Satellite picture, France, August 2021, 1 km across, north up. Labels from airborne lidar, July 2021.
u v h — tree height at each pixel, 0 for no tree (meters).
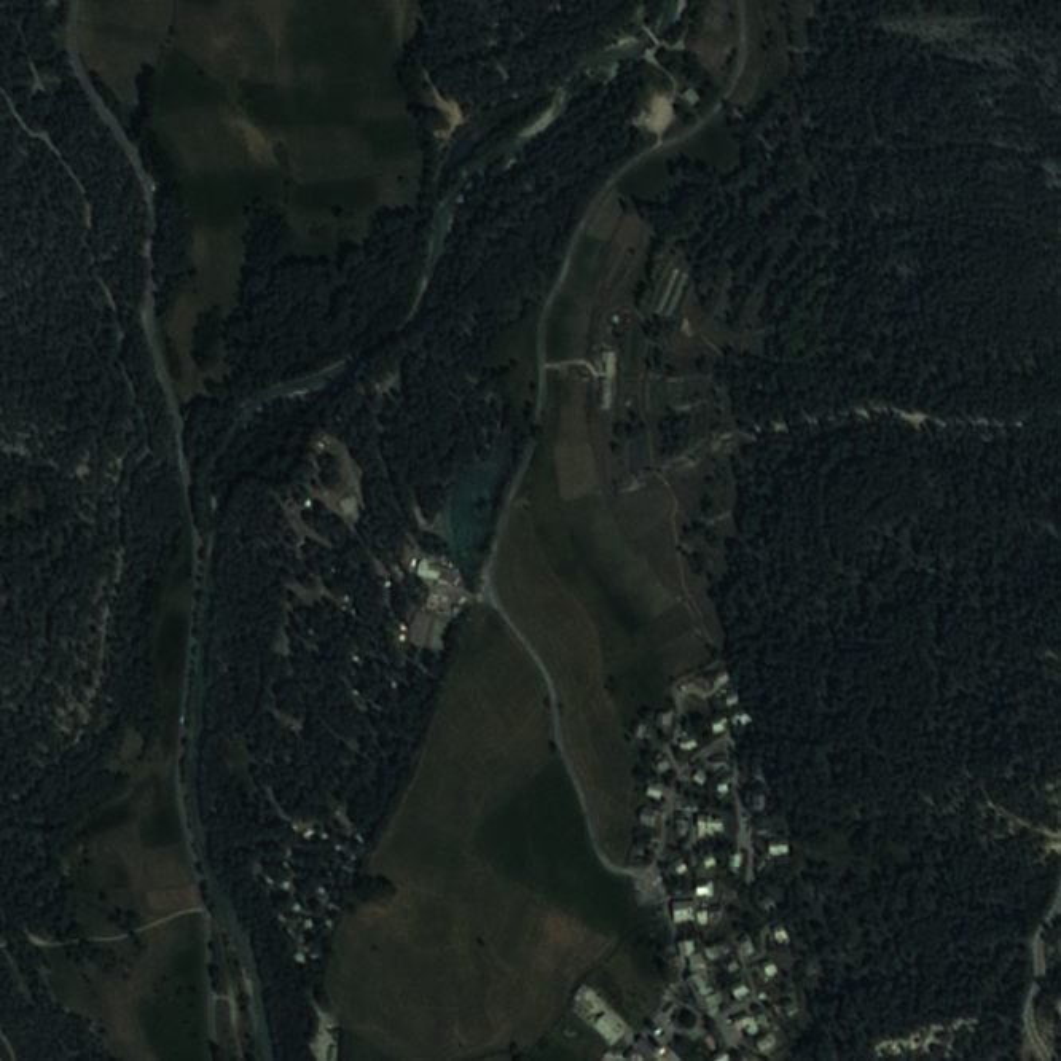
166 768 0
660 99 0
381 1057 0
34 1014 10
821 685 22
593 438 0
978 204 11
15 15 11
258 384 11
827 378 13
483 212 12
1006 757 16
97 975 0
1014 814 15
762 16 0
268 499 15
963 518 12
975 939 14
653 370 9
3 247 11
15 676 11
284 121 0
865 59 13
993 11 9
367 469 25
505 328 12
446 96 20
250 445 12
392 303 8
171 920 0
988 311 17
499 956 0
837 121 15
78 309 16
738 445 0
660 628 0
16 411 12
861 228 16
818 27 13
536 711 0
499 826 0
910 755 16
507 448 0
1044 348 15
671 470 0
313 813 22
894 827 20
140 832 0
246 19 0
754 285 9
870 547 14
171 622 0
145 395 19
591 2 17
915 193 14
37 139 7
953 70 10
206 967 0
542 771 0
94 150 15
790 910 14
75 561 20
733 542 7
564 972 0
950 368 17
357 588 26
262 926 20
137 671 18
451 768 0
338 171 0
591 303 0
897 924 16
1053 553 7
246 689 17
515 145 0
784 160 16
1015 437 17
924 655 14
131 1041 0
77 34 0
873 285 14
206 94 0
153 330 0
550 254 7
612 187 0
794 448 6
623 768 0
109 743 16
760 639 19
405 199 0
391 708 23
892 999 18
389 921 0
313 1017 18
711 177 19
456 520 0
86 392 20
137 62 0
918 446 14
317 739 22
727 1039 0
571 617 0
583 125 13
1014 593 10
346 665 26
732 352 12
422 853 0
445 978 0
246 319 7
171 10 0
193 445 15
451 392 15
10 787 20
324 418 16
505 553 0
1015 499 14
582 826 0
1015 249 9
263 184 0
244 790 8
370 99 0
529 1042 0
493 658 0
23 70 12
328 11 0
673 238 16
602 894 0
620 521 0
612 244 0
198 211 0
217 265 0
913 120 10
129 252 17
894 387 10
